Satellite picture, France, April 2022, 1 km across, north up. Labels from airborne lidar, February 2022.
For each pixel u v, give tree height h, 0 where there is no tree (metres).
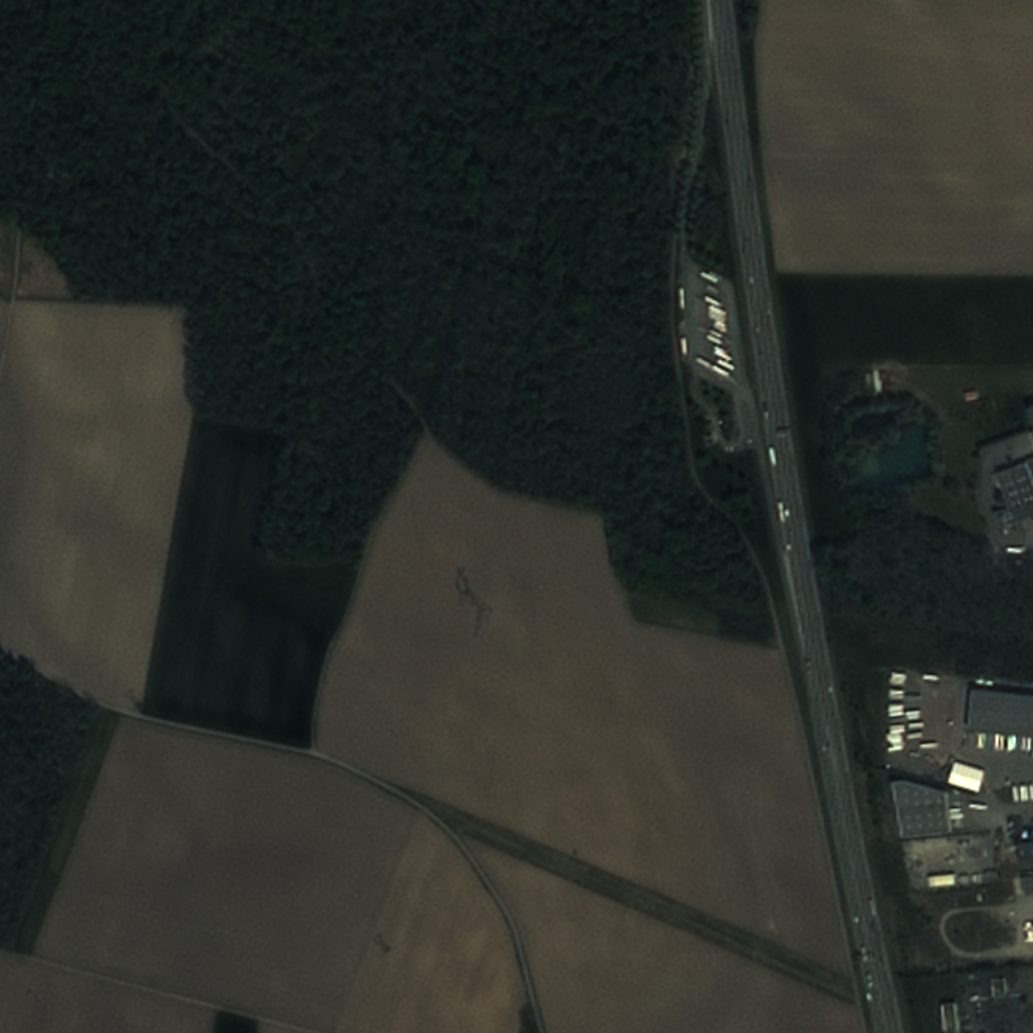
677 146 17
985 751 0
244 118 18
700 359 0
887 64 0
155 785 0
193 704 0
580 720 0
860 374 0
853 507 12
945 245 0
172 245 21
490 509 0
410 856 0
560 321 7
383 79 17
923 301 0
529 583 0
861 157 0
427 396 7
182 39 22
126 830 0
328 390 19
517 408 14
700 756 0
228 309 19
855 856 0
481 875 0
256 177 21
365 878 0
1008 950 0
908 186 0
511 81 20
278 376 21
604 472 21
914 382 0
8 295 0
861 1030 0
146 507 0
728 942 0
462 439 21
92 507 0
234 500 0
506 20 23
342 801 0
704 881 0
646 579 22
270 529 19
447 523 0
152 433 0
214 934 0
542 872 0
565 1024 0
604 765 0
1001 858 0
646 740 0
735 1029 0
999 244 0
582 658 0
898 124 0
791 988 0
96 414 0
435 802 0
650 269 19
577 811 0
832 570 17
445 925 0
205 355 21
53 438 0
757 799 0
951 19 0
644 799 0
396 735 0
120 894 0
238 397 24
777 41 0
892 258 0
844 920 0
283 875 0
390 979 0
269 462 0
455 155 22
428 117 15
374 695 0
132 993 0
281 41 27
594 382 11
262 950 0
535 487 19
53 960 0
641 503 20
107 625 0
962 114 0
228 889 0
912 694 0
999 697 0
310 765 0
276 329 26
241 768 0
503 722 0
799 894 0
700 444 0
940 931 0
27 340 0
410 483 0
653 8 23
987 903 0
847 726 0
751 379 0
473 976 0
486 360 23
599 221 20
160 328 0
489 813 0
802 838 0
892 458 0
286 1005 0
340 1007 0
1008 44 0
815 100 0
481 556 0
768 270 0
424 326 22
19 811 26
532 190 25
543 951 0
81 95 0
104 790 0
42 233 19
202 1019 0
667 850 0
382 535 0
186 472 0
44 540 0
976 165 0
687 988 0
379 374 20
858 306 0
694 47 10
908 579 26
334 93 24
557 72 24
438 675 0
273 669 0
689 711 0
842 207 0
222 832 0
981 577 27
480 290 24
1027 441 0
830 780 0
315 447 19
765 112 0
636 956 0
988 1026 0
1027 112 0
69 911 0
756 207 0
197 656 0
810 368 0
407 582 0
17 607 0
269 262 21
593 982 0
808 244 0
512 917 0
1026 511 0
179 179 24
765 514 0
